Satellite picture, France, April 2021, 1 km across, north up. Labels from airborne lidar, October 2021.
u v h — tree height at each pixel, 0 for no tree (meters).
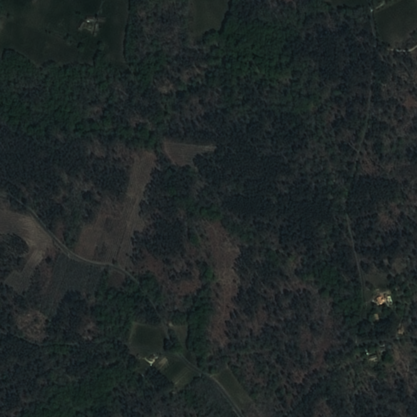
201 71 29
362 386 13
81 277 12
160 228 22
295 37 24
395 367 11
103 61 21
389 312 18
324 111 18
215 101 14
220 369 11
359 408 22
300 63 20
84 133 27
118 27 0
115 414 12
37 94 21
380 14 0
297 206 22
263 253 22
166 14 9
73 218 20
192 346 16
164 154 11
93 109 20
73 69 21
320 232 12
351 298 21
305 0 10
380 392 27
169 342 12
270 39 19
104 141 27
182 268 8
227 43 16
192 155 0
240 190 19
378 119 12
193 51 19
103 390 21
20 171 26
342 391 24
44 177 27
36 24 0
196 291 8
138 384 17
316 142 10
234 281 0
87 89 12
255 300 22
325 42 23
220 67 16
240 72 21
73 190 20
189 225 17
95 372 21
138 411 11
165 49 14
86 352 19
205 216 27
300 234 17
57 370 11
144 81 25
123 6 0
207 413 8
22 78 13
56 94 21
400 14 0
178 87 28
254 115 21
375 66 22
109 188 26
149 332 0
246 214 20
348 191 15
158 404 8
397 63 17
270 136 19
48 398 18
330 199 17
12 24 0
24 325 0
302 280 22
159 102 26
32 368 19
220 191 27
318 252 12
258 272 25
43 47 0
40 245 0
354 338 18
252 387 12
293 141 17
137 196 0
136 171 0
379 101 16
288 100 22
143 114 25
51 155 25
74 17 0
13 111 27
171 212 27
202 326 19
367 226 11
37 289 7
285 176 21
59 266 13
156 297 16
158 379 21
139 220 0
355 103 17
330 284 19
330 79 26
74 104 19
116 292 12
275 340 22
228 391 0
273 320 26
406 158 9
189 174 25
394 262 13
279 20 27
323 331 8
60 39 0
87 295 9
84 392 23
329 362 19
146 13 16
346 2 0
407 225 25
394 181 9
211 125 25
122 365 18
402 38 0
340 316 10
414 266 10
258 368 10
